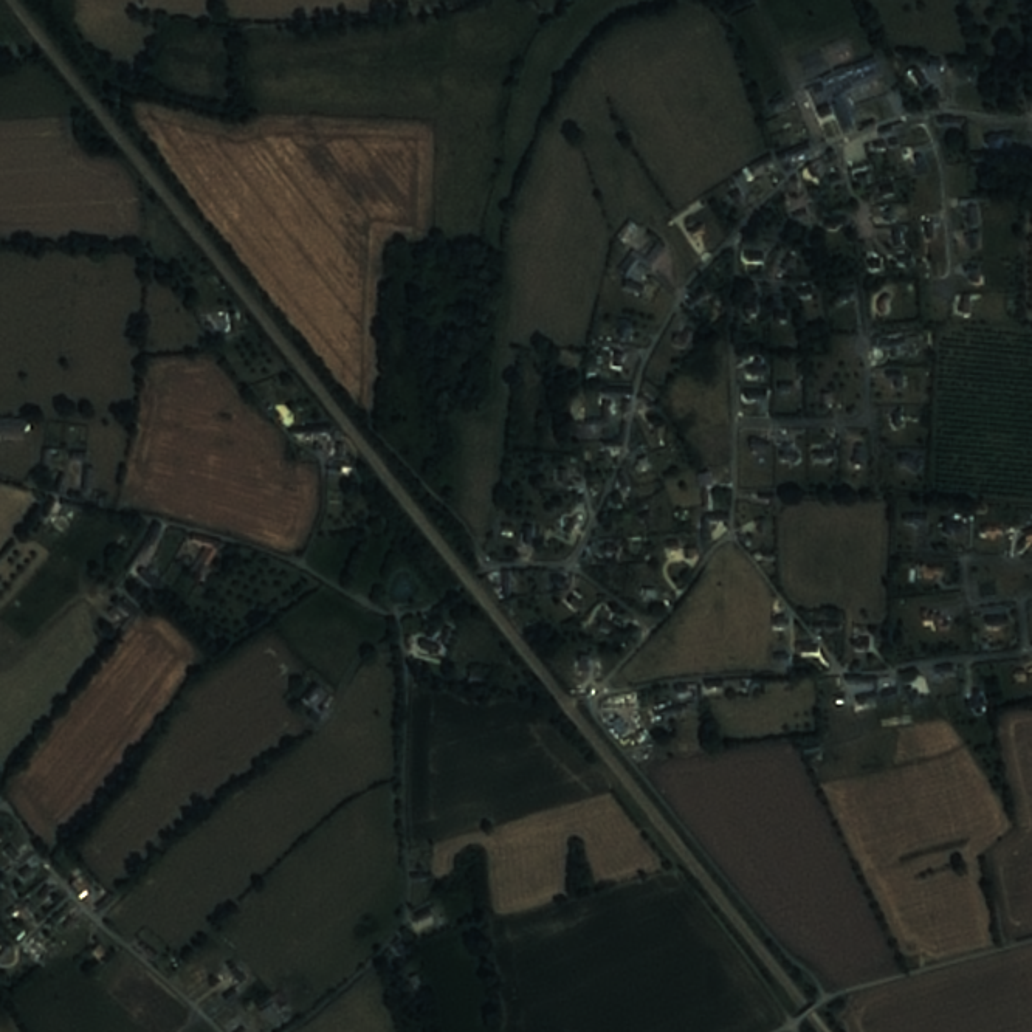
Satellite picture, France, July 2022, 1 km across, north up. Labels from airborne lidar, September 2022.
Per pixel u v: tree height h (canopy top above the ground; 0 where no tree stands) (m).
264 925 0
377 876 0
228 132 0
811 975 0
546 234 0
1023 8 15
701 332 10
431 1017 19
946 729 0
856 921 0
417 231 0
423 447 0
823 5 0
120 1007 0
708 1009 0
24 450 0
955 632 0
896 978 0
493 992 9
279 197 0
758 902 0
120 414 19
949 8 0
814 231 8
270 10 0
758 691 7
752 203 0
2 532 0
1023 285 8
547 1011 0
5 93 0
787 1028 0
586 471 6
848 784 0
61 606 0
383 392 13
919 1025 0
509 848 0
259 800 0
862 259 5
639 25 0
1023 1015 0
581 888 7
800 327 7
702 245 0
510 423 10
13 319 0
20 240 17
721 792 0
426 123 0
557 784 0
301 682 13
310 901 0
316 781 0
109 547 9
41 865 0
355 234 0
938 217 0
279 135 0
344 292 0
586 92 0
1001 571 0
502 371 0
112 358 0
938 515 0
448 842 0
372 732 0
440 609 8
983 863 11
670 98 0
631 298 0
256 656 0
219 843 0
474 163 0
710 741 20
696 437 0
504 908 0
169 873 0
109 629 16
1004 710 10
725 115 0
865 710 0
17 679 0
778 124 0
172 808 0
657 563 6
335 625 0
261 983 0
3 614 0
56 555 0
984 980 0
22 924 6
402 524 10
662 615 11
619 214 0
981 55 16
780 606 0
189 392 0
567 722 12
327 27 17
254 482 0
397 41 0
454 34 0
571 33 0
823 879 0
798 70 0
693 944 0
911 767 0
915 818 0
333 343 0
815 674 13
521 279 0
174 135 0
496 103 0
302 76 0
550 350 16
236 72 13
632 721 0
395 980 13
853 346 0
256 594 6
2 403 0
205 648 19
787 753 0
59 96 0
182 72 0
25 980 7
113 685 0
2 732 0
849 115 0
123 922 0
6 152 0
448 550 0
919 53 11
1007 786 9
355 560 12
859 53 0
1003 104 15
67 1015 0
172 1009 0
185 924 0
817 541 0
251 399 12
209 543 0
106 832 0
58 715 13
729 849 0
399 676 10
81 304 0
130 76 29
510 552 8
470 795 0
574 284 0
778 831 0
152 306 0
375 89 0
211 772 0
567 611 0
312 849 0
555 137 0
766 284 7
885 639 10
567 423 14
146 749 12
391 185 0
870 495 10
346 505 9
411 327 17
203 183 0
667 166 0
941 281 0
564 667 0
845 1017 0
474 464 0
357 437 0
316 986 0
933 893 0
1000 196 22
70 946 0
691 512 0
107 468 0
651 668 0
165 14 8
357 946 0
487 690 9
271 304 10
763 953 0
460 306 14
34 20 0
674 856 0
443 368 22
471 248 20
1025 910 0
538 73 0
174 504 0
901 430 0
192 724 0
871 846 0
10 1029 0
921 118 0
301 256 0
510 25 0
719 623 0
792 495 17
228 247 13
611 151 0
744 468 0
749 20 0
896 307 0
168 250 0
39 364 0
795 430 0
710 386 0
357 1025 0
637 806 0
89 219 0
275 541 0
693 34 0
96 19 0
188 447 0
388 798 0
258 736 0
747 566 0
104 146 13
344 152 0
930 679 0
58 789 0
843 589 0
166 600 17
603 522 13
